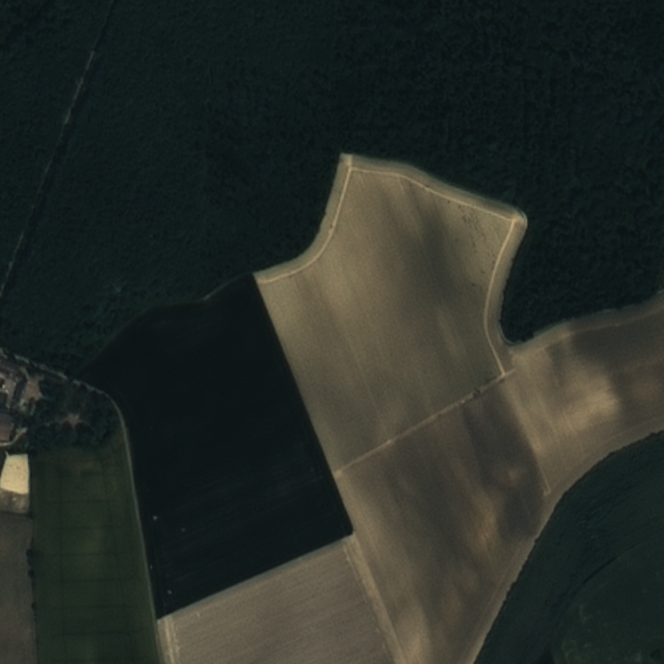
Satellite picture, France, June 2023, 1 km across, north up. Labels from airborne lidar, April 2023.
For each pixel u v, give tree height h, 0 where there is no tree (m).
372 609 0
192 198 19
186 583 0
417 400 0
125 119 20
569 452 0
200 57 18
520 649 0
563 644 0
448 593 0
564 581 0
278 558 0
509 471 0
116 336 0
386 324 0
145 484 0
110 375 0
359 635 0
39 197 7
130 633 0
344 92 7
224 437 0
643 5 8
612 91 17
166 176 20
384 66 8
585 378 0
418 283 0
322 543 0
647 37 11
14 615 0
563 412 0
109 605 0
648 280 14
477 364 0
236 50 20
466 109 18
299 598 0
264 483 0
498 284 0
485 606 0
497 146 8
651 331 0
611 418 0
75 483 0
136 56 21
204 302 0
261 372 0
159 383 0
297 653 0
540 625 0
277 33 20
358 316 0
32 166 21
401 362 0
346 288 0
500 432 0
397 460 0
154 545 0
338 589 0
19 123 19
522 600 0
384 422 0
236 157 5
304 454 0
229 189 22
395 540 0
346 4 13
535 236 6
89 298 16
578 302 7
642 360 0
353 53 21
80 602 0
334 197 0
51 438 21
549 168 9
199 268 6
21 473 0
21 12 23
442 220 0
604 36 6
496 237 0
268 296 0
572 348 0
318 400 0
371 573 0
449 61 23
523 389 0
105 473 0
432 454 0
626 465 0
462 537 0
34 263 19
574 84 16
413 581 0
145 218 20
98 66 18
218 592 0
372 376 0
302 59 19
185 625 0
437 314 0
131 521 0
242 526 0
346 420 0
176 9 21
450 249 0
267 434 0
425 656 0
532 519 0
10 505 0
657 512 0
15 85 20
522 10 21
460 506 0
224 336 0
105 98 16
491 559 0
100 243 19
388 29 21
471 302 0
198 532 0
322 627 0
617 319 0
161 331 0
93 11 19
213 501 0
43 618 0
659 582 0
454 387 0
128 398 0
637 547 0
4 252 19
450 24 26
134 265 16
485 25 21
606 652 0
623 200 22
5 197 19
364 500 0
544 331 0
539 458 0
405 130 15
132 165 18
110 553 0
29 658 0
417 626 0
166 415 0
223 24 20
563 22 26
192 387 0
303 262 0
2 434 0
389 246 0
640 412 0
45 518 0
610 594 0
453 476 0
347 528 0
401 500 0
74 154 21
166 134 20
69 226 20
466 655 0
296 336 0
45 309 18
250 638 0
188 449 0
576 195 18
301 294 0
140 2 21
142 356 0
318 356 0
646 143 19
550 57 22
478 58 23
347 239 0
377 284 0
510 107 17
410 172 0
